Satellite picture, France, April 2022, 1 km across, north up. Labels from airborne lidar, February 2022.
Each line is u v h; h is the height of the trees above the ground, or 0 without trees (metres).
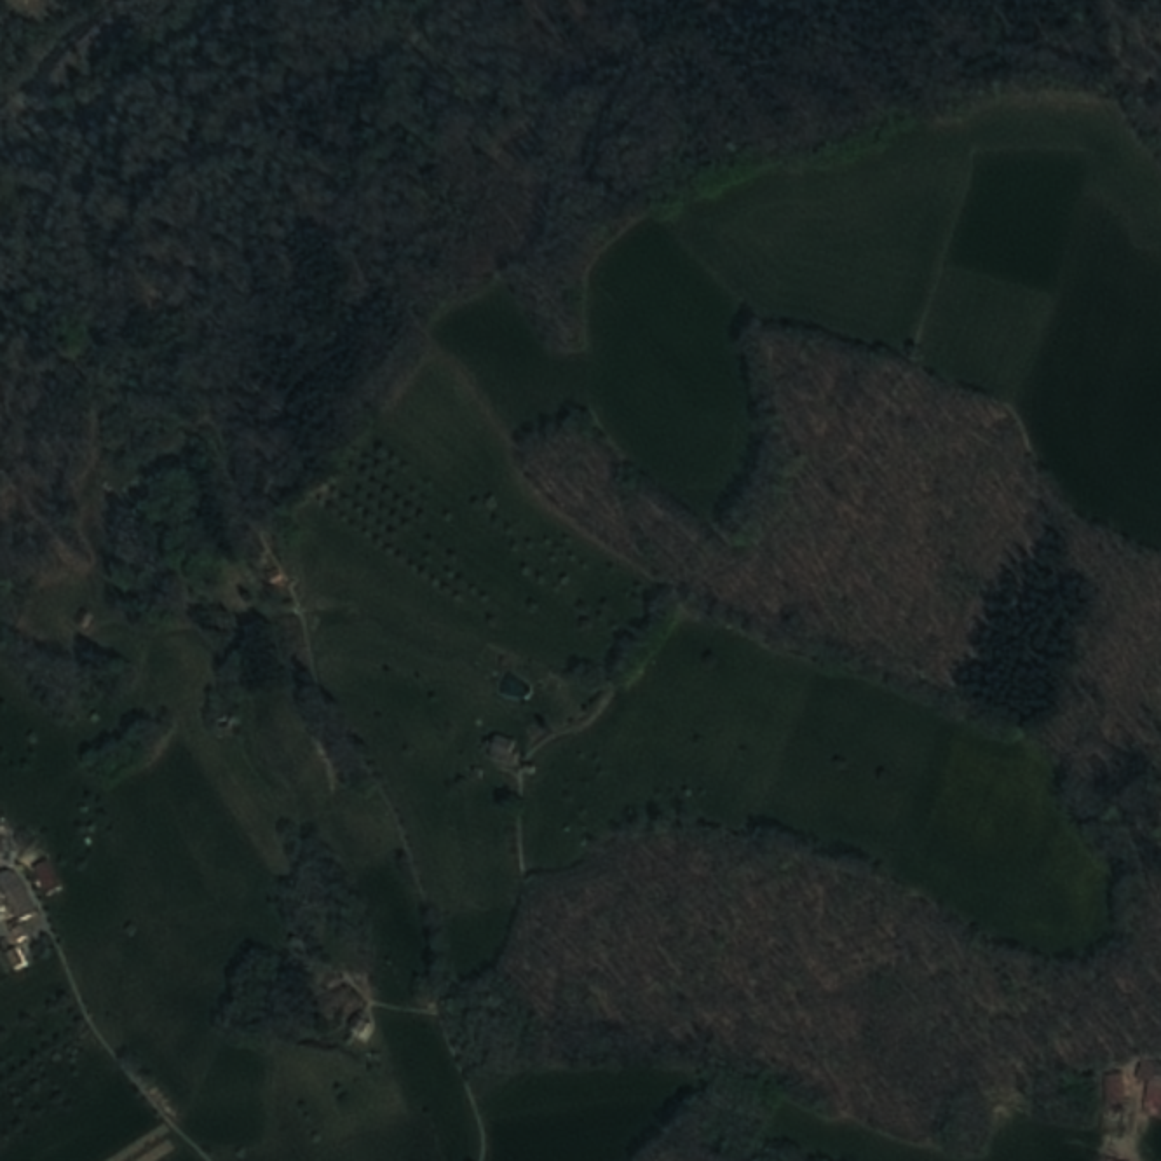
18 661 31
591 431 15
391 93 29
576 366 0
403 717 0
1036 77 24
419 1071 0
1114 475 0
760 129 28
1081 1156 0
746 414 0
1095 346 0
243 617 0
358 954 16
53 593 0
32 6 0
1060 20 27
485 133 32
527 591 0
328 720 28
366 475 11
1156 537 0
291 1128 0
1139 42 31
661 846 15
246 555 27
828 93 31
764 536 31
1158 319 0
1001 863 0
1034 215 0
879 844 0
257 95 31
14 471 21
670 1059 28
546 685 0
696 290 0
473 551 0
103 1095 0
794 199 0
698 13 29
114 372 20
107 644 0
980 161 0
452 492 0
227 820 0
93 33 0
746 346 29
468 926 0
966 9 28
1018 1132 0
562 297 31
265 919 0
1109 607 21
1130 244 0
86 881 0
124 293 32
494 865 0
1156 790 26
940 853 0
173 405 27
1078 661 22
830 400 25
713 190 23
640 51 24
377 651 0
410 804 0
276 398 28
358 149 22
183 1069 0
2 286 31
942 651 20
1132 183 0
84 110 9
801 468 28
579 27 14
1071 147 0
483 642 0
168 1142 0
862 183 0
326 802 0
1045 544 23
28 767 9
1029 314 0
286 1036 25
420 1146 0
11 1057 6
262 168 30
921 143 0
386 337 27
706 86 28
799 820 0
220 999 0
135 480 0
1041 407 0
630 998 24
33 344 25
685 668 0
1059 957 0
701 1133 31
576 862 0
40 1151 0
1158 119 34
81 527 34
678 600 23
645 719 0
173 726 19
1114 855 28
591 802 0
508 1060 24
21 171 27
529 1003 22
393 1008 0
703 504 0
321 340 25
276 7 30
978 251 0
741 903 20
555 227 34
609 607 10
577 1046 26
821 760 0
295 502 19
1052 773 0
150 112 29
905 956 20
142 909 0
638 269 0
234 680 26
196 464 18
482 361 0
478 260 14
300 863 17
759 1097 21
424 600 0
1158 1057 18
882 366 23
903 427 22
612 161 35
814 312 0
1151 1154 0
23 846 8
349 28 32
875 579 22
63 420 27
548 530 0
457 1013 19
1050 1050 24
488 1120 0
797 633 29
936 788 0
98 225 25
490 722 0
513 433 0
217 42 29
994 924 0
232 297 28
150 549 31
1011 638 26
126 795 0
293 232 30
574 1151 0
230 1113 0
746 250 0
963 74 27
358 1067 0
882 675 25
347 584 0
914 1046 12
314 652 0
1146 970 24
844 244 0
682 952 16
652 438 0
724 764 0
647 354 0
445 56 31
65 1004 12
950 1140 24
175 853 0
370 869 0
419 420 0
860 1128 0
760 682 0
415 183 18
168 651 0
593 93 33
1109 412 0
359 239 29
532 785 0
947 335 0
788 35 30
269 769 0
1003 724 26
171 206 32
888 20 30
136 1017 0
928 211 0
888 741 0
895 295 0
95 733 0
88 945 0
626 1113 0
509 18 26
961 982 23
